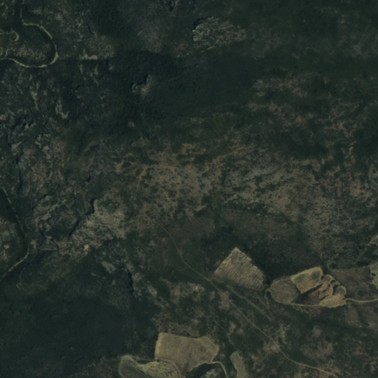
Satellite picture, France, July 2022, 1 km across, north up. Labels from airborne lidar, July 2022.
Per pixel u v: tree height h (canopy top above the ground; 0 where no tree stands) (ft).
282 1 0
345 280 0
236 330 0
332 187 0
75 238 0
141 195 0
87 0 21
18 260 23
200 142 0
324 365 0
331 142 0
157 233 0
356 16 0
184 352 0
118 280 0
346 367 0
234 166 0
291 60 0
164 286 0
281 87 0
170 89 21
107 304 0
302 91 0
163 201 0
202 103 0
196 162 0
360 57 0
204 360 0
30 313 22
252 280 0
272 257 21
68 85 24
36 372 0
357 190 0
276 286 0
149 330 0
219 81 0
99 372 0
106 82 17
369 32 0
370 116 0
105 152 0
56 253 0
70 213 0
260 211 0
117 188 0
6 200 22
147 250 0
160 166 0
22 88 21
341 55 0
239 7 0
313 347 0
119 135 18
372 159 0
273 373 0
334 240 0
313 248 0
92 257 0
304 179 0
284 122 0
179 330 0
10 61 26
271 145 0
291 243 0
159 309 0
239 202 0
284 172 0
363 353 0
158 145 0
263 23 0
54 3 0
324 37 0
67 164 0
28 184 0
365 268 0
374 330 0
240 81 0
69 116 20
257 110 0
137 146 0
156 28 0
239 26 0
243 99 0
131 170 0
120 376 0
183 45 0
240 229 0
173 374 0
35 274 0
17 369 0
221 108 0
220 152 0
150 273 0
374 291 0
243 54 0
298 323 0
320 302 0
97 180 0
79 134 20
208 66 0
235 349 0
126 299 0
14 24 26
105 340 0
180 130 0
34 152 0
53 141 0
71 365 0
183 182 0
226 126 0
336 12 0
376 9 0
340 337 0
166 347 0
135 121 23
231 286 0
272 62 0
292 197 0
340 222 0
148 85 0
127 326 0
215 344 0
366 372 0
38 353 0
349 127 0
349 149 0
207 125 0
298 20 0
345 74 0
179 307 0
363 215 20
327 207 0
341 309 0
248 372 0
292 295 0
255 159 0
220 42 0
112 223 0
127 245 0
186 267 0
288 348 0
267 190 0
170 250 0
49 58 31
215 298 0
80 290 0
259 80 0
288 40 0
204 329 0
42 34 20
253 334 0
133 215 0
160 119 21
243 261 0
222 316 0
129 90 22
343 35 0
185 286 0
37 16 21
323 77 0
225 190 0
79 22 0
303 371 0
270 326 0
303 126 0
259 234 0
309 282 0
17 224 32
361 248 19
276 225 0
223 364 0
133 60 18
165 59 19
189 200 0
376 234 0
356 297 0
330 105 0
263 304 0
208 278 0
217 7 0
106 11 19
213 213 0
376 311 0
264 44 0
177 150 0
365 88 0
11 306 29
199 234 0
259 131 0
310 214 0
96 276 0
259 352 0
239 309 0
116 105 23
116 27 19
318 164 0
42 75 22
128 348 0
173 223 0
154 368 0
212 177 0
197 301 0
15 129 0
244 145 0
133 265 0
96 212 0
